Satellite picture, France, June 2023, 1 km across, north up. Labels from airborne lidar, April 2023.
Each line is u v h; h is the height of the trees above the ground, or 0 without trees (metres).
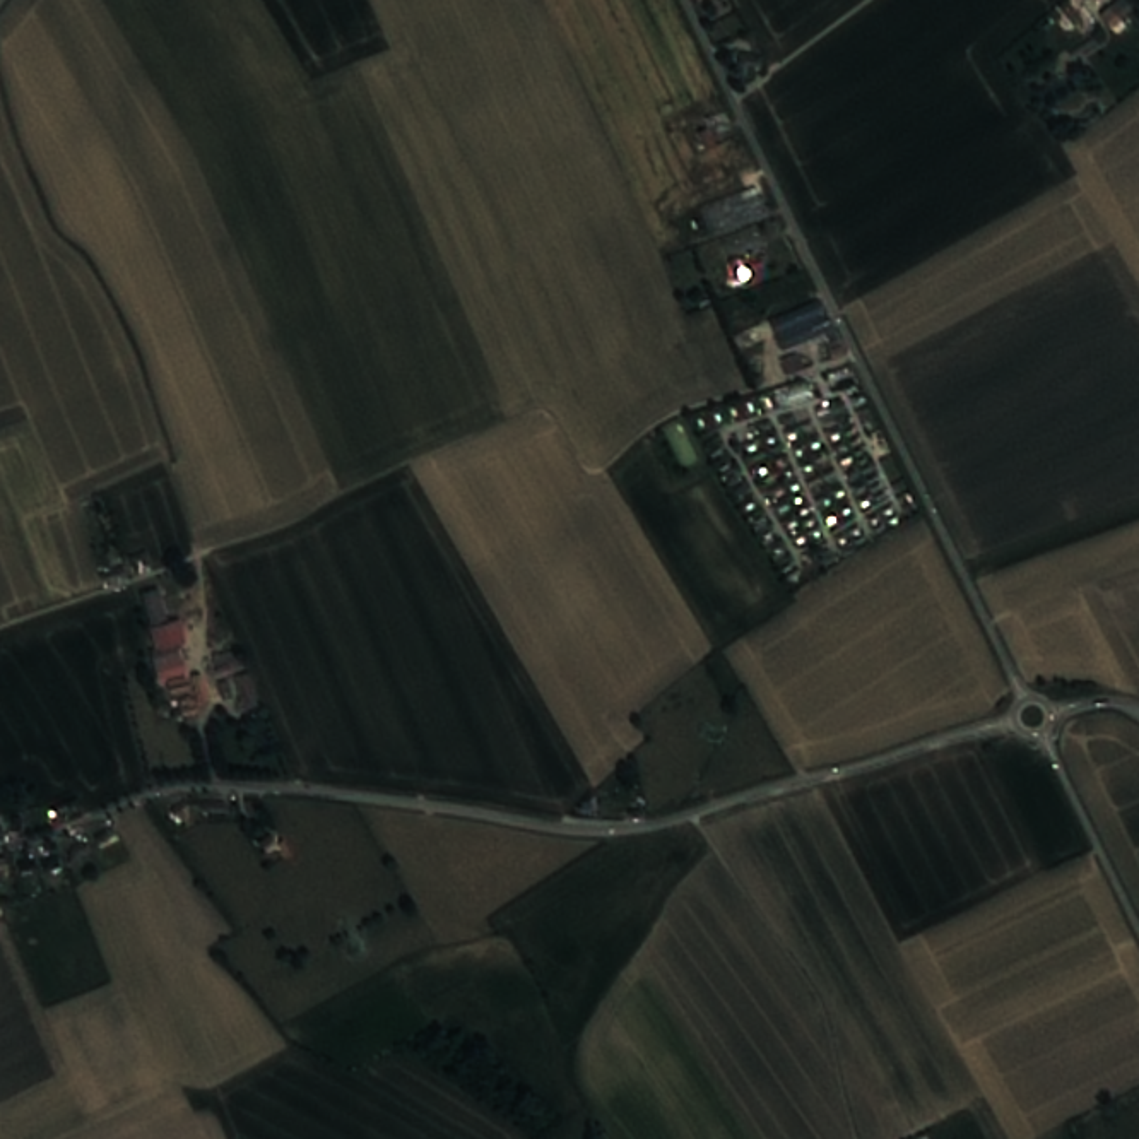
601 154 0
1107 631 0
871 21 0
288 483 0
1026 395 0
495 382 0
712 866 0
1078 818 0
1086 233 0
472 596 0
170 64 0
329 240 0
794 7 0
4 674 0
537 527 0
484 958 0
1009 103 0
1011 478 0
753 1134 0
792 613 0
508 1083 15
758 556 0
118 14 0
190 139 0
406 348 0
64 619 0
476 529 0
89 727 0
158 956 0
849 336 0
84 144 0
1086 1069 0
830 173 0
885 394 0
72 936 0
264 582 0
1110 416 0
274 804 0
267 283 0
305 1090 0
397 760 0
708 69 0
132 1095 0
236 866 0
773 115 0
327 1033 0
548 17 0
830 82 0
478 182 0
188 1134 0
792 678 0
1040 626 0
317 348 0
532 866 0
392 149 0
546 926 0
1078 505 0
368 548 0
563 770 0
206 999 0
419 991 0
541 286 0
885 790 0
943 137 0
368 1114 0
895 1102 0
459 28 0
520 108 0
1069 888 0
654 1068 0
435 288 0
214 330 0
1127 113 0
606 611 0
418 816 0
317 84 0
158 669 0
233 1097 0
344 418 0
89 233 0
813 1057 0
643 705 0
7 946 0
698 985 0
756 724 0
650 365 0
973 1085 0
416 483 0
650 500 0
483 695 0
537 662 0
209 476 0
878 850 0
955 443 0
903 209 0
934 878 0
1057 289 0
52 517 0
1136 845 0
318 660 0
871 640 0
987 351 0
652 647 0
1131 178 0
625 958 0
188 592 0
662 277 0
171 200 0
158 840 0
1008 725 0
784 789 0
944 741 0
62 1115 0
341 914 0
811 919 0
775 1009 0
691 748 0
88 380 0
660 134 0
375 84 0
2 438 0
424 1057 8
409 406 0
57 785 0
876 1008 0
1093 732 0
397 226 0
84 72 0
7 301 0
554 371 0
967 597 0
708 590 0
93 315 0
